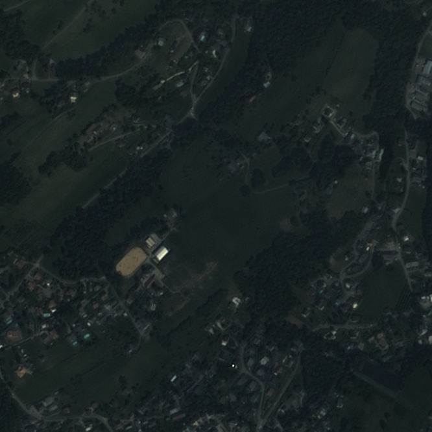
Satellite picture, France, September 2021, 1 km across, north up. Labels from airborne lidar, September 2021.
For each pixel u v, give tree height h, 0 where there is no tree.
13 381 0
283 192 0
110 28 0
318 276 11
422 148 0
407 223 0
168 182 0
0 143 0
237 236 0
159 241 0
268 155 0
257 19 22
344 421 0
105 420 0
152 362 0
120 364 0
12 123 20
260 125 0
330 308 6
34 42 0
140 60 0
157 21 23
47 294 0
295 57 26
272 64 18
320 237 23
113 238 0
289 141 7
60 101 0
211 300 15
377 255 11
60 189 0
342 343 0
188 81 6
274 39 25
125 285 0
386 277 0
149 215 0
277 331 19
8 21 18
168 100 7
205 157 0
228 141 21
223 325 7
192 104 0
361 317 7
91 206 0
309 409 16
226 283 0
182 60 8
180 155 0
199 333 0
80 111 0
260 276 17
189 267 0
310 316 0
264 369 6
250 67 18
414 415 0
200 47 16
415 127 26
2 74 12
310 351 15
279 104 0
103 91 0
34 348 0
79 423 0
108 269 19
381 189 0
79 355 0
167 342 17
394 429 0
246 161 0
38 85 0
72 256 20
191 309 0
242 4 0
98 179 0
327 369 20
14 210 0
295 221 12
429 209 17
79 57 0
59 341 0
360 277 0
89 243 14
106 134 0
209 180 0
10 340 0
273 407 0
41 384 0
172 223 0
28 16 0
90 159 10
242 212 0
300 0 32
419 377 0
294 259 23
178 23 0
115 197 14
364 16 27
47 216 0
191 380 5
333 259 0
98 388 0
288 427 10
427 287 7
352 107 0
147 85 7
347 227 19
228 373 8
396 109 25
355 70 0
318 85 0
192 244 0
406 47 17
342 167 16
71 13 0
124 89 17
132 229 0
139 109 22
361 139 0
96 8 13
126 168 0
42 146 0
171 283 0
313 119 0
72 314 15
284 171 23
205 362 8
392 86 20
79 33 0
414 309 17
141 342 0
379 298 0
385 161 28
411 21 16
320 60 0
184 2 19
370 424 0
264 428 8
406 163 0
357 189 0
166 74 0
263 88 7
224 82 0
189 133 26
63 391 12
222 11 22
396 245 0
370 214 7
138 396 0
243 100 14
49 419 0
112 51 20
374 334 8
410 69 10
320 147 0
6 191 23
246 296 9
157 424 11
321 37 22
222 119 21
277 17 35
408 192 0
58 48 0
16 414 20
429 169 16
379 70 10
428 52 0
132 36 23
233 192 0
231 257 0
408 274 0
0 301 0
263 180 21
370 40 0
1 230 8
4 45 21
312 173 15
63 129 0
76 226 13
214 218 0
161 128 10
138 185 24
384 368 13
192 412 8
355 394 0
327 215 12
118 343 0
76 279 15
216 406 12
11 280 10
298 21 23
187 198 0
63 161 10
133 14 0
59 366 0
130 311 9
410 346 0
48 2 0
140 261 0
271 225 0
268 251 6
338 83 0
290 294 15
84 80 9
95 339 10
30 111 0
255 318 18
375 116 18
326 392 25
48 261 0
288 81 0
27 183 12
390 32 29
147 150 0
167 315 0
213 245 0
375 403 0
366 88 0
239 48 0
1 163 0
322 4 34
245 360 7
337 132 0
